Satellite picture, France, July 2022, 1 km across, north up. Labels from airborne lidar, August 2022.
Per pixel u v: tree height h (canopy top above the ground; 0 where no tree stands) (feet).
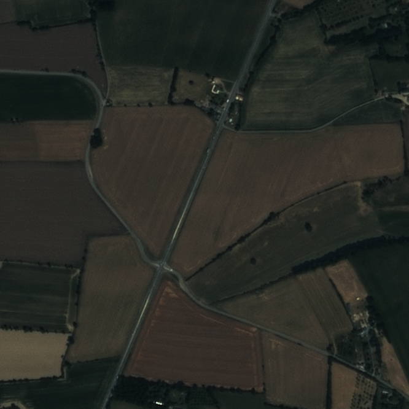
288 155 0
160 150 0
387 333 42
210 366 0
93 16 46
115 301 0
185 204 0
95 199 0
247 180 0
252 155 0
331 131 0
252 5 0
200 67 0
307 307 0
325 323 0
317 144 0
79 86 0
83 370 0
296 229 0
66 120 0
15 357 0
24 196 0
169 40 0
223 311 0
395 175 0
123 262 0
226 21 0
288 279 0
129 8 0
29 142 0
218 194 0
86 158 0
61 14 0
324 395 0
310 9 35
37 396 0
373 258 0
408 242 46
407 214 0
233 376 0
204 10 0
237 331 0
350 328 0
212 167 0
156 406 30
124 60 0
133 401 25
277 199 0
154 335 0
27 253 0
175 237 0
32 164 0
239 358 0
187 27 0
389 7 27
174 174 0
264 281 0
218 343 0
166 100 0
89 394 0
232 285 0
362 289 0
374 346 26
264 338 0
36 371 0
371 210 0
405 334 0
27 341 0
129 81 0
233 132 0
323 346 0
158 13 0
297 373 0
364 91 0
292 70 0
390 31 74
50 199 0
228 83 0
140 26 0
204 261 0
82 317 0
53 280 0
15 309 0
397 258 0
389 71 0
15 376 0
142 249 0
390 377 0
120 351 0
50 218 0
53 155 0
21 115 0
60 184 0
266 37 0
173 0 0
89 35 0
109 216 0
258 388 0
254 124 0
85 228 0
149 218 0
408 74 0
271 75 0
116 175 0
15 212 0
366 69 0
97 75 0
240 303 0
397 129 0
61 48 0
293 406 0
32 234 0
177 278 0
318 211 0
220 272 0
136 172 0
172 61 0
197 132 0
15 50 0
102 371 0
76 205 0
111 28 0
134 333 0
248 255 0
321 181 0
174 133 0
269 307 0
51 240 0
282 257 0
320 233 0
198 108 20
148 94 0
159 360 0
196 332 0
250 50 0
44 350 0
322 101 0
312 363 0
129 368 0
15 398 0
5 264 0
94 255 0
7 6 0
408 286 0
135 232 0
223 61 0
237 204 0
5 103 0
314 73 0
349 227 0
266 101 0
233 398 0
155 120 0
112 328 0
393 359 0
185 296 0
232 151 0
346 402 0
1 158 0
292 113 0
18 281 0
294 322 0
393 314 0
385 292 0
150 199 0
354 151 0
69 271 0
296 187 0
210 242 0
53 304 0
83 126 0
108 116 0
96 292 0
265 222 29
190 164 0
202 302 0
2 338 0
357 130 0
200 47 0
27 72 0
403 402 21
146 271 0
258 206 0
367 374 38
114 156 0
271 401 0
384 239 51
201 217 0
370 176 0
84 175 0
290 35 0
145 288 0
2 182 0
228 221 0
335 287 26
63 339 0
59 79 0
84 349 0
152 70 0
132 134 0
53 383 0
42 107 0
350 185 0
